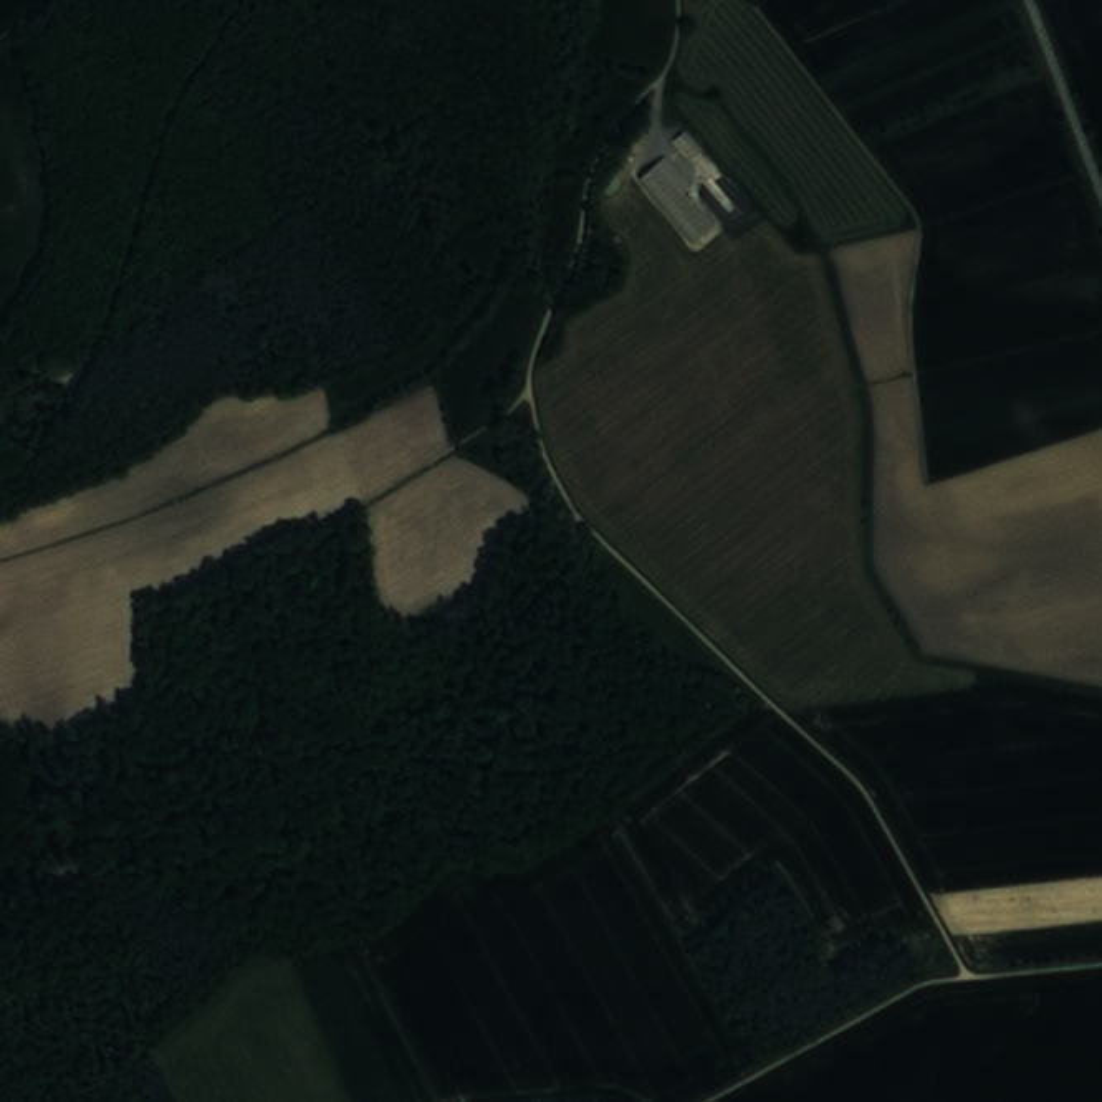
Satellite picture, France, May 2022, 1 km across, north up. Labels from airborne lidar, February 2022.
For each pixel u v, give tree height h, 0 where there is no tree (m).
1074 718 0
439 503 0
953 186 0
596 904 0
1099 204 0
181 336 21
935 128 0
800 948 23
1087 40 0
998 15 0
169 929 19
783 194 0
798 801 0
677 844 0
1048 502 0
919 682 0
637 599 0
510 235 10
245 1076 0
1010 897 0
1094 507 0
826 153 0
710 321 0
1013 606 0
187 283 18
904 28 0
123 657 0
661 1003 0
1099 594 0
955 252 0
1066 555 0
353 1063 0
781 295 0
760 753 0
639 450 0
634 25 0
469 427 0
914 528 0
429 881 22
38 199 0
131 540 0
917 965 15
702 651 0
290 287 24
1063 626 0
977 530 0
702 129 0
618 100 0
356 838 24
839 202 0
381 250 23
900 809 0
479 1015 0
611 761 23
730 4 0
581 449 0
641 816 0
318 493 0
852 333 0
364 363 20
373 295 23
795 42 0
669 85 0
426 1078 0
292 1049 0
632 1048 0
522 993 0
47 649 0
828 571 0
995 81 0
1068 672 0
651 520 0
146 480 0
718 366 0
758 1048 14
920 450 0
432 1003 0
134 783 31
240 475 0
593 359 0
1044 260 0
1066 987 0
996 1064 0
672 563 0
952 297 0
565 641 26
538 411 0
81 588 0
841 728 0
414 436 0
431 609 0
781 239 0
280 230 20
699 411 0
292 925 22
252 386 17
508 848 23
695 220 0
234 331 22
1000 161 0
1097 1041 0
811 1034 17
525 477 10
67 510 0
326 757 24
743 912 19
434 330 17
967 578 0
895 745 0
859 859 0
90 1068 22
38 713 0
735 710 13
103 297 14
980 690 0
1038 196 0
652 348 0
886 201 0
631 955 0
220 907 24
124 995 23
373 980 0
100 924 22
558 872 0
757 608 0
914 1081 0
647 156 0
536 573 23
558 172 9
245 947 19
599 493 0
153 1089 17
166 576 0
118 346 17
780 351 0
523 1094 0
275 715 28
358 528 22
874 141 0
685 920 0
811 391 0
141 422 19
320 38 12
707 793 0
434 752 29
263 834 32
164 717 26
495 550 22
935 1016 0
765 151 0
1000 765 0
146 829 28
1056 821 0
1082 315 0
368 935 12
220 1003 0
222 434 0
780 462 0
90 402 21
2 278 0
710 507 0
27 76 13
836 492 0
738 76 0
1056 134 0
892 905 0
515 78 12
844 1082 0
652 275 0
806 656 0
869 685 0
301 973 0
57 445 23
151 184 13
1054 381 0
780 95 0
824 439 0
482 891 0
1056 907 0
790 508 0
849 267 0
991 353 0
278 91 19
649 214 0
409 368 0
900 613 0
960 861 0
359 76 13
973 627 0
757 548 0
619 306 0
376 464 0
